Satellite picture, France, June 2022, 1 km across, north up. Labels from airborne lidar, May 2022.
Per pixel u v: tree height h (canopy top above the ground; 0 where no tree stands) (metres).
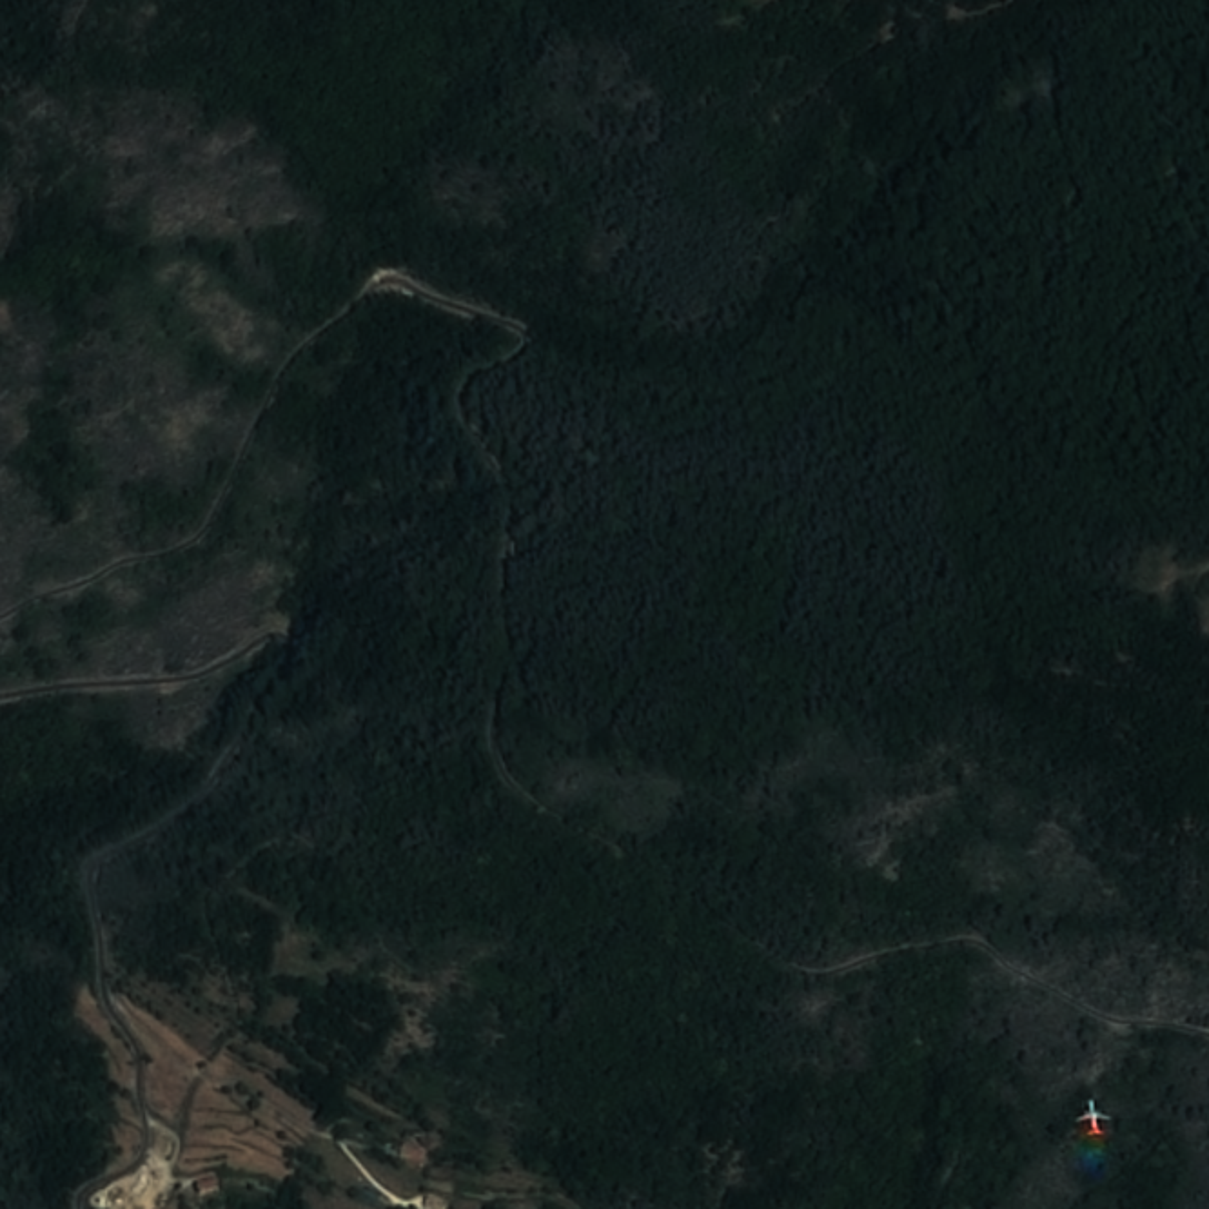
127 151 0
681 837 11
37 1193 8
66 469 10
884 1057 10
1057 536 19
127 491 11
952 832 7
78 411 8
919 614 27
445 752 20
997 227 18
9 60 18
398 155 17
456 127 13
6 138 8
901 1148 13
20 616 8
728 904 14
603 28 12
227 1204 5
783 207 18
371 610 16
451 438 27
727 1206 10
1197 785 12
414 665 10
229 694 16
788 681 15
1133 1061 14
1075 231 14
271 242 11
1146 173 17
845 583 29
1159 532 15
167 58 15
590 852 20
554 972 20
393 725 6
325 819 12
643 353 16
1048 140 18
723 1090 15
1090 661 12
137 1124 0
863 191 20
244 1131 0
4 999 11
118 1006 0
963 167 20
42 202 7
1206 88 12
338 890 9
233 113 15
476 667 18
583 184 16
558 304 10
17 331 0
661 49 13
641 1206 14
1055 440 20
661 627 22
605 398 24
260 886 11
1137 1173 8
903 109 9
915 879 15
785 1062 13
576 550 22
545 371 24
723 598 17
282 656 17
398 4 21
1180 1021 8
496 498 33
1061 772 19
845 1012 6
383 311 18
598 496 16
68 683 0
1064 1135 9
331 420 17
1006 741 11
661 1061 19
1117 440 6
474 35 17
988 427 16
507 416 17
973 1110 10
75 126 0
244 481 9
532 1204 0
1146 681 14
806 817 9
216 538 8
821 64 20
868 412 18
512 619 21
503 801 21
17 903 14
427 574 17
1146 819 11
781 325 22
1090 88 19
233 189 0
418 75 15
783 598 14
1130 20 23
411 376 12
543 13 13
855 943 10
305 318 10
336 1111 14
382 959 7
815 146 22
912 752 9
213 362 12
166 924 8
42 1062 12
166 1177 0
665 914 20
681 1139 6
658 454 14
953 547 22
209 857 6
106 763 7
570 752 9
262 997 9
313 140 18
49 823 15
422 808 14
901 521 20
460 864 17
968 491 20
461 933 11
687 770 9
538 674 27
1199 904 7
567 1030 15
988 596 21
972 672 19
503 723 14
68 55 13
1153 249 16
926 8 21
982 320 15
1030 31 18
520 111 10
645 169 14
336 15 19
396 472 11
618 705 16
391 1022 10
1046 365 16
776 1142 14
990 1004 8
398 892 13
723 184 14
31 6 12
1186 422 17
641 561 24
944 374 23
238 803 7
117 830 10
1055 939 12
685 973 19
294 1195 16
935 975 15
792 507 13
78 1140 11
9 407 0
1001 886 9
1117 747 16
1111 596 10
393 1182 0
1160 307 18
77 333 11
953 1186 12
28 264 15
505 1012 10
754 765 12
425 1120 10
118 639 0
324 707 12
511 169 13
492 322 10
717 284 21
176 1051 0
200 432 0
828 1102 10
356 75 22
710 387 18
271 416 15
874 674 14
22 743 14
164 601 6
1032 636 13
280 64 21
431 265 11
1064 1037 11
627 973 18
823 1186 13
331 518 10
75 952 7
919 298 9
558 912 16
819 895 18
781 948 12
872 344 20
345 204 15
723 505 13
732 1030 17
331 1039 11
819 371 22
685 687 26
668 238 22
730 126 10
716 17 16
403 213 10
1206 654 9
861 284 19
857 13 16
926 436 24
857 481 17
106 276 13
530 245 16
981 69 19
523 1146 8
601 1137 14
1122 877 10
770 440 15
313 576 15
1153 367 16
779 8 17
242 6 13
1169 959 7
